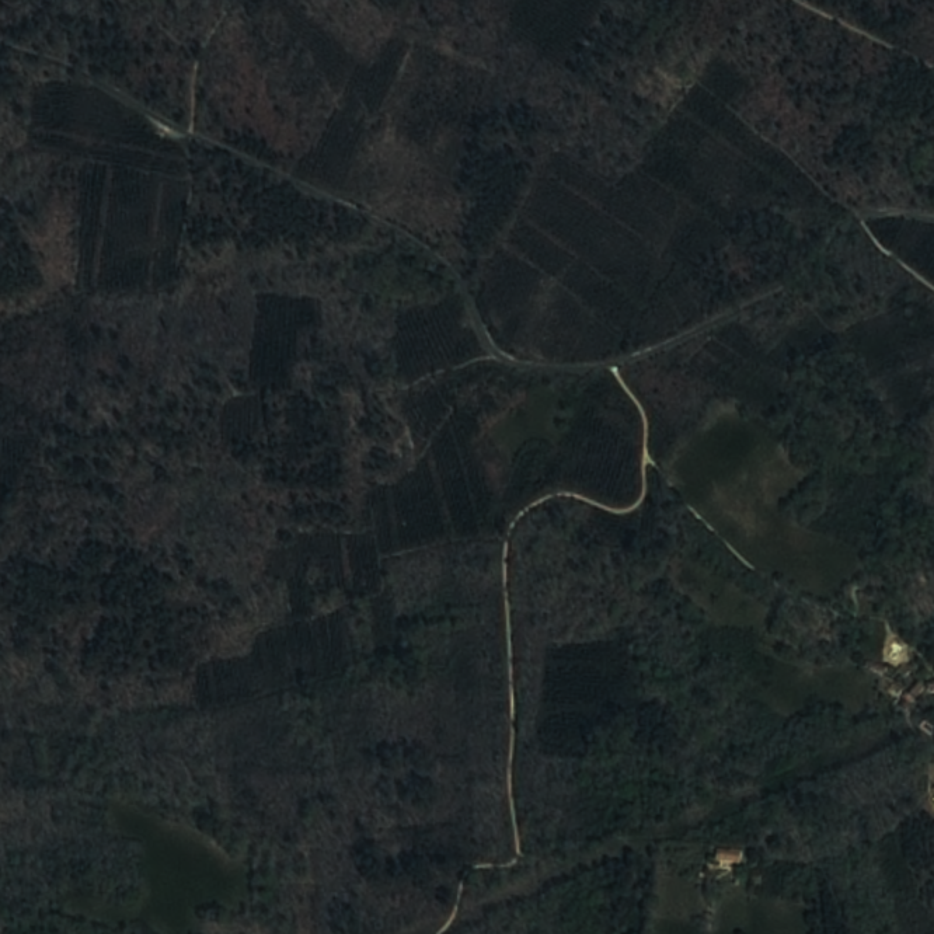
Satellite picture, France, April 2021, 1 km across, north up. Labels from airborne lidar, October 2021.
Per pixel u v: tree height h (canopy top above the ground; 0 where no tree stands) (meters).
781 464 0
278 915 10
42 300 10
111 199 6
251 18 22
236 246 16
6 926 18
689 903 0
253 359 8
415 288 19
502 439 0
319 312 7
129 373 23
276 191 13
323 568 9
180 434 7
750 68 12
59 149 9
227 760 7
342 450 11
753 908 0
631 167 21
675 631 11
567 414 19
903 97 22
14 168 22
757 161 7
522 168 13
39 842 19
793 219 16
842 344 6
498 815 10
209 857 0
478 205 16
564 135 10
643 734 15
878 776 17
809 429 22
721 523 0
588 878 20
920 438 16
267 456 12
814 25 9
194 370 13
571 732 6
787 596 13
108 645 16
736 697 11
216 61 9
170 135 0
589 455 6
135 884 18
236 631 14
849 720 16
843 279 26
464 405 5
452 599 7
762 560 0
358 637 10
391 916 8
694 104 7
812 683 0
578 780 14
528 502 0
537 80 9
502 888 18
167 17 11
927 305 6
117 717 20
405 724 7
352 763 8
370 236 14
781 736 9
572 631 7
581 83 24
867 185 13
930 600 18
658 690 18
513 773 8
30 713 8
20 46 16
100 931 16
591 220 7
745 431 0
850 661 12
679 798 7
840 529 7
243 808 9
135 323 10
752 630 7
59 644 24
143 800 13
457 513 9
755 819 7
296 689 7
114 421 9
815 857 21
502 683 6
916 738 13
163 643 15
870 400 22
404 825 28
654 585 15
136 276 7
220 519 11
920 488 12
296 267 9
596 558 24
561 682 8
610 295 7
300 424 9
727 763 14
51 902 15
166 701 8
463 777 7
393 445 19
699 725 17
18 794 19
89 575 25
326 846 14
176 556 11
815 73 16
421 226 11
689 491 0
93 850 15
